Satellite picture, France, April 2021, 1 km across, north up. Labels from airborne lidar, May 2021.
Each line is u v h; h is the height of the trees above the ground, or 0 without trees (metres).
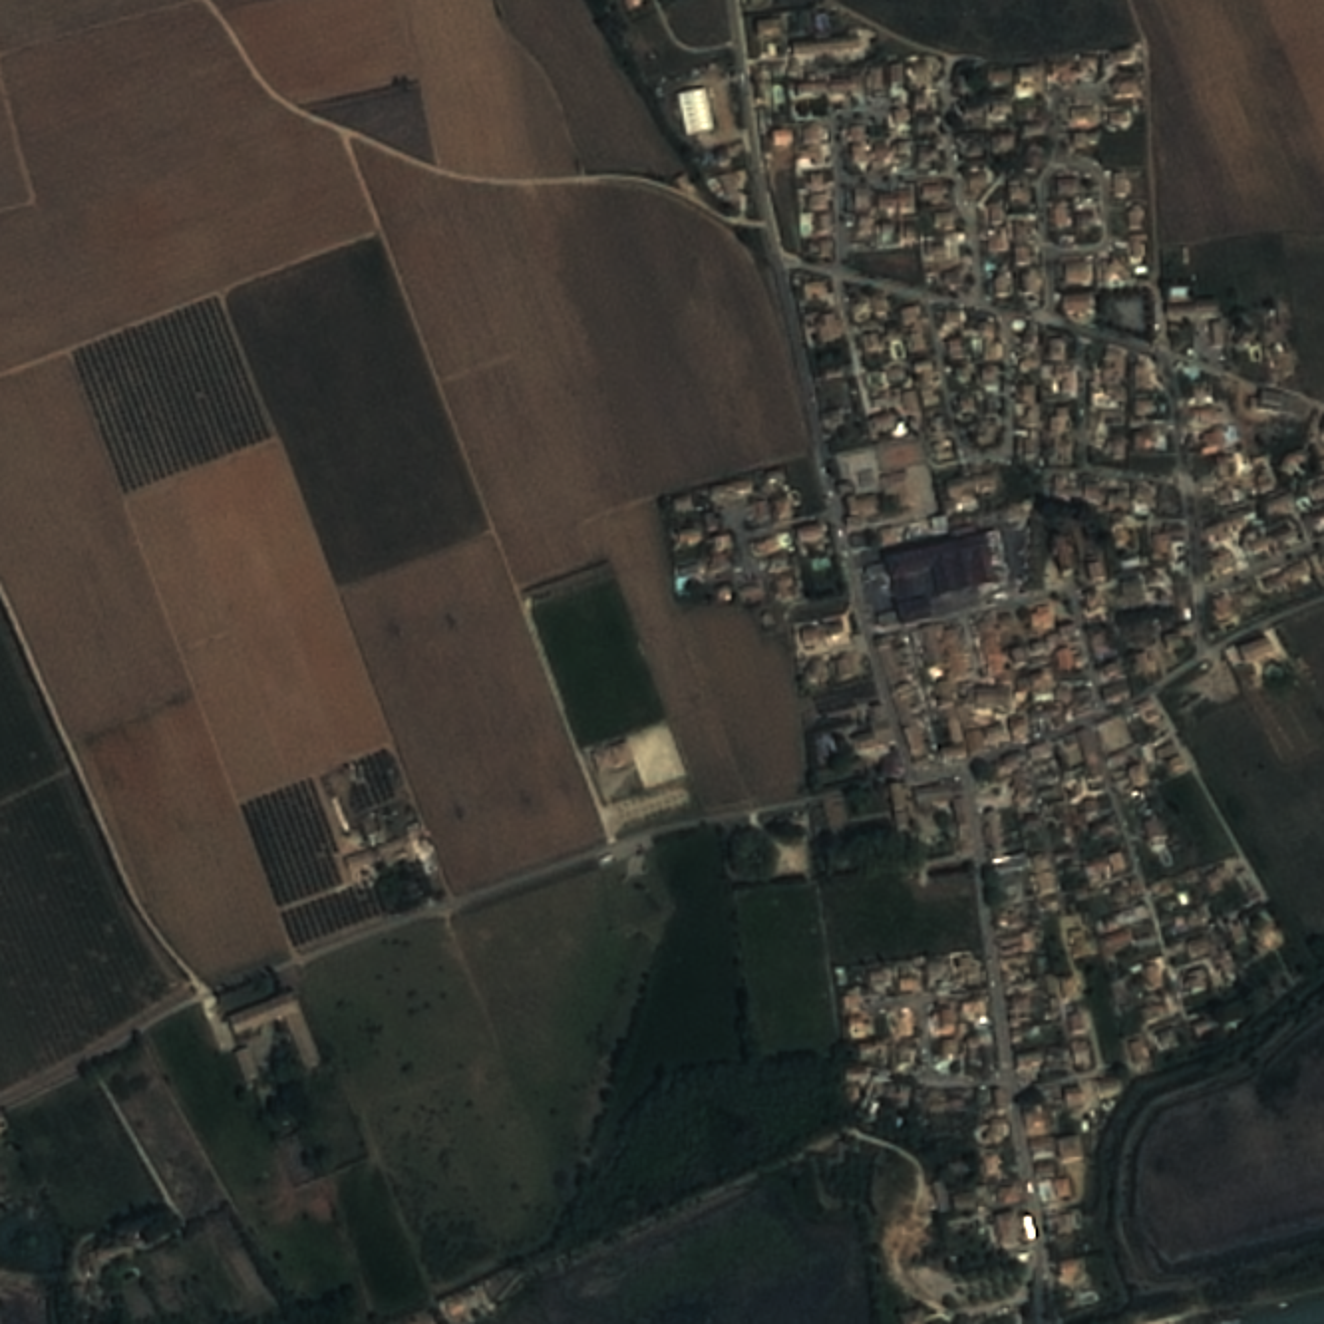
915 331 0
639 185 0
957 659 0
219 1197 0
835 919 0
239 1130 0
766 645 0
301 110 0
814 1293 0
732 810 0
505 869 0
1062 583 0
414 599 0
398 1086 0
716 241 0
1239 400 0
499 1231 0
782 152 0
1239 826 0
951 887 0
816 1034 0
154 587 0
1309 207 0
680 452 0
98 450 0
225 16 0
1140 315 0
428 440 0
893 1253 0
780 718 0
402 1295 0
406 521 0
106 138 0
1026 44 0
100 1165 0
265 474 0
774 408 0
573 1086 0
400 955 0
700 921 0
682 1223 0
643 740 0
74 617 0
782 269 0
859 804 12
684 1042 0
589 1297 0
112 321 0
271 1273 7
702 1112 14
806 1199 0
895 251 0
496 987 0
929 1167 0
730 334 0
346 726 0
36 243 0
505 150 0
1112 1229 8
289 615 0
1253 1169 0
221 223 0
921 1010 0
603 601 0
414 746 0
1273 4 0
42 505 0
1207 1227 0
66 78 0
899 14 0
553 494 0
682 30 0
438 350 0
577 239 0
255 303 0
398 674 0
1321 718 0
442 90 0
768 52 0
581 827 0
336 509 0
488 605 0
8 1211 14
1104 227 0
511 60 0
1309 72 0
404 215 0
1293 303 0
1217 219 0
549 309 0
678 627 0
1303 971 9
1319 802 0
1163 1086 0
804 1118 11
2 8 0
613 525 0
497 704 0
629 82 0
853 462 0
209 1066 0
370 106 0
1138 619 10
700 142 0
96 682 0
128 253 0
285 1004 0
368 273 0
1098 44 0
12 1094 0
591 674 0
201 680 0
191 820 0
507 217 0
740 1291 0
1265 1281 8
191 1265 0
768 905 0
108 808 0
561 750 0
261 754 0
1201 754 0
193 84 0
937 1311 0
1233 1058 10
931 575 0
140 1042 10
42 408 0
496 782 0
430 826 0
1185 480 0
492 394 0
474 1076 0
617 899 0
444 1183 0
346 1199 0
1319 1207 0
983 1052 7
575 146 0
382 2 0
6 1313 0
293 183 0
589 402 0
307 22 0
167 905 0
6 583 0
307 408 0
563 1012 0
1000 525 0
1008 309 10
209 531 0
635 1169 8
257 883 0
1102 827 0
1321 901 0
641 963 0
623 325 0
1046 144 10
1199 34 0
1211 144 0
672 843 0
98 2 0
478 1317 6
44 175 0
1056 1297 8
